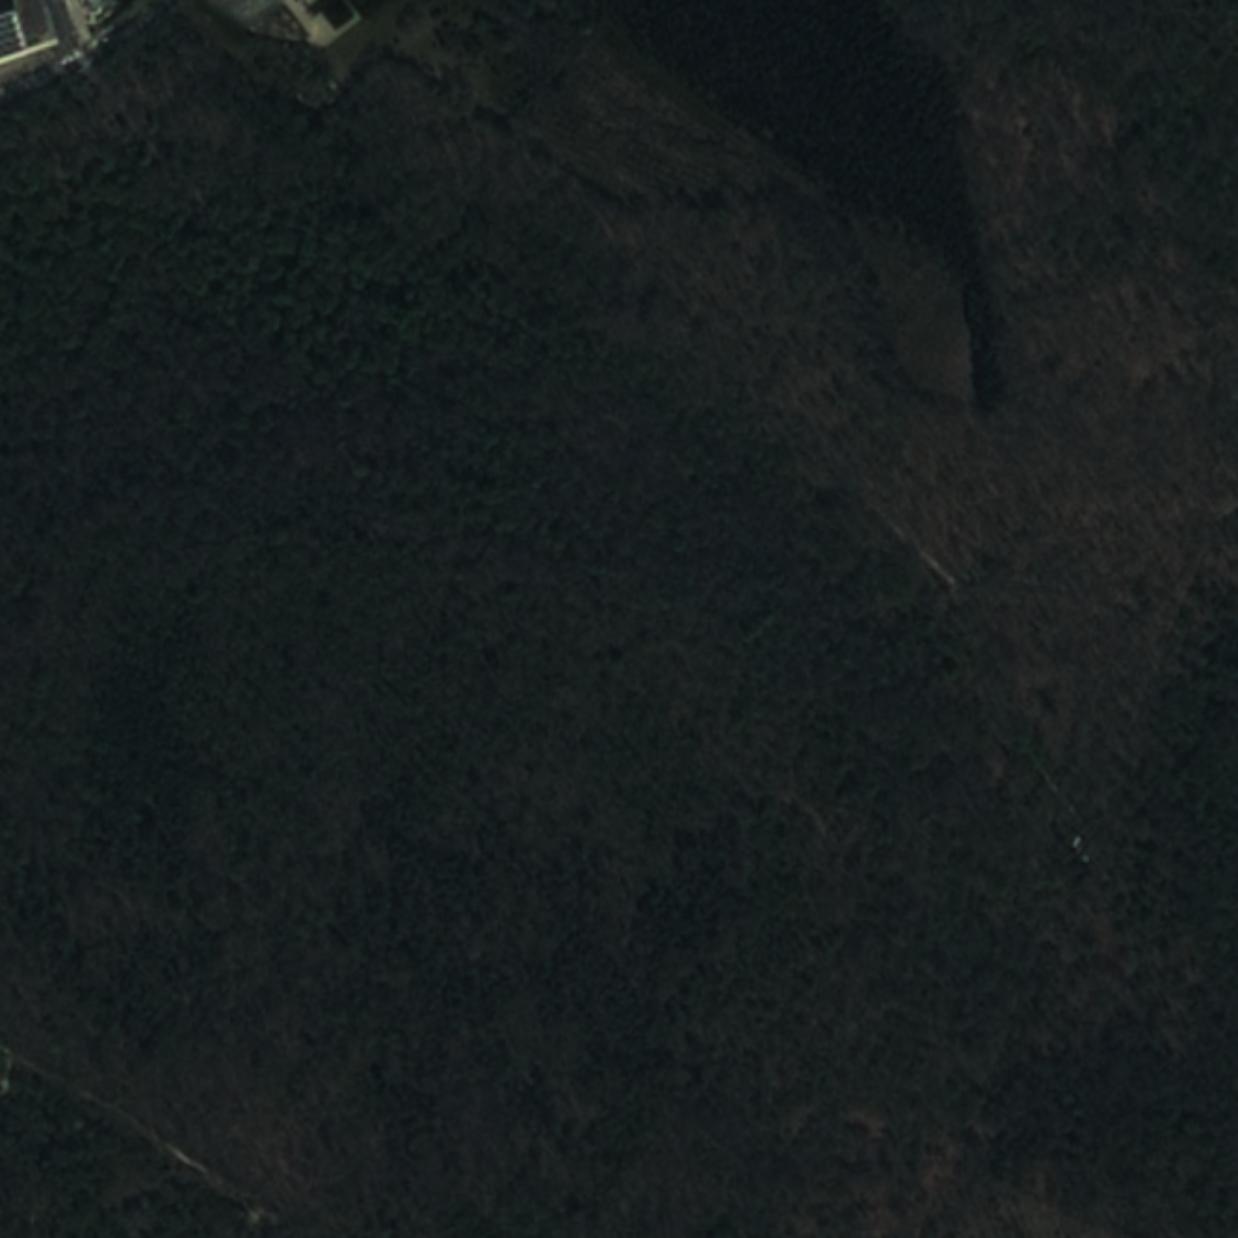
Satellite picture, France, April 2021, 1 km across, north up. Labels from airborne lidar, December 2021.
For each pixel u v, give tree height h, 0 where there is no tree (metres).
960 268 25
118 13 9
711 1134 21
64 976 16
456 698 14
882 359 18
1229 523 8
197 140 24
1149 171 25
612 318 18
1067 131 25
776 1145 13
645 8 23
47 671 17
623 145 0
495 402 20
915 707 20
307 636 13
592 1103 16
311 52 10
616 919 17
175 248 15
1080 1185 15
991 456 21
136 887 18
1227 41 15
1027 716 19
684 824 11
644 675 15
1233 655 8
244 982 15
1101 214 19
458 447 16
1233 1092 19
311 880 21
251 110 29
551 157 21
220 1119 18
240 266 18
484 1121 20
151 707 13
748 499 16
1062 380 24
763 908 13
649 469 22
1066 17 11
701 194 0
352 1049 18
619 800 10
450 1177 17
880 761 17
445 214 27
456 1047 21
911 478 20
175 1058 18
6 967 20
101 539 11
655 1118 14
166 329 16
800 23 28
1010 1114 21
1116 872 11
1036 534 21
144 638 14
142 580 13
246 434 20
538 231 14
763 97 27
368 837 15
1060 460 22
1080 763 18
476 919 21
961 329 0
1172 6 19
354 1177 15
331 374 22
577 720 10
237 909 19
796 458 19
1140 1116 16
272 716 12
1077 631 19
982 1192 0
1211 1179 10
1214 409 13
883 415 17
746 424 18
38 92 21
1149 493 18
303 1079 14
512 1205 16
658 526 13
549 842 21
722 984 12
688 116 0
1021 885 20
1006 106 16
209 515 8
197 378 17
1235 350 17
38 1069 14
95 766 18
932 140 24
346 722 10
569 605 17
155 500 18
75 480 17
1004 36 22
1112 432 18
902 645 21
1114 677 23
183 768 15
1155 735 20
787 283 23
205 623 7
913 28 16
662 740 13
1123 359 23
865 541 14
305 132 18
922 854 18
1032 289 14
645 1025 18
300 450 17
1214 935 17
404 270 10
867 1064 5
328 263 17
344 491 6
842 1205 17
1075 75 14
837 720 6
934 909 16
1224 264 18
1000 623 17
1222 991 19
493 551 17
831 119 27
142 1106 19
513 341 18
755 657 13
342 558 8
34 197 26
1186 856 21
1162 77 18
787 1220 12
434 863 20
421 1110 21
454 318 21
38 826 22
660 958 18
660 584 9
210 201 20
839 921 13
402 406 19
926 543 21
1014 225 23
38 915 17
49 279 23
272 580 19
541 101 16
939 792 22
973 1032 11
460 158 25
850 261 20
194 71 20
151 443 15
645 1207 18
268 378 17
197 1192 8
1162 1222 7
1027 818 19
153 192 22
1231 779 17
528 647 13
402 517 17
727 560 13
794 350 20
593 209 24
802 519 18
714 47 27
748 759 12
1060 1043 18
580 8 19
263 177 21
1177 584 12
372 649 6
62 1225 15
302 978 22
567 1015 16
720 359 25
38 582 17
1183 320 18
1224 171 18
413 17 15
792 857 11
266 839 11
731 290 23
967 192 27
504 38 20
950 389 0
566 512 19
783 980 15
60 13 0
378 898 20
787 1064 8
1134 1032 20
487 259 10
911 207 28
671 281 26
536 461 15
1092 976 21
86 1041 22
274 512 13
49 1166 17
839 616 13
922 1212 11
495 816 17
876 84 25
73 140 21
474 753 8
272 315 20
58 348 12
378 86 21
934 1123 18
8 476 19
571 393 21
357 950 23
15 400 17
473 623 13
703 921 18
